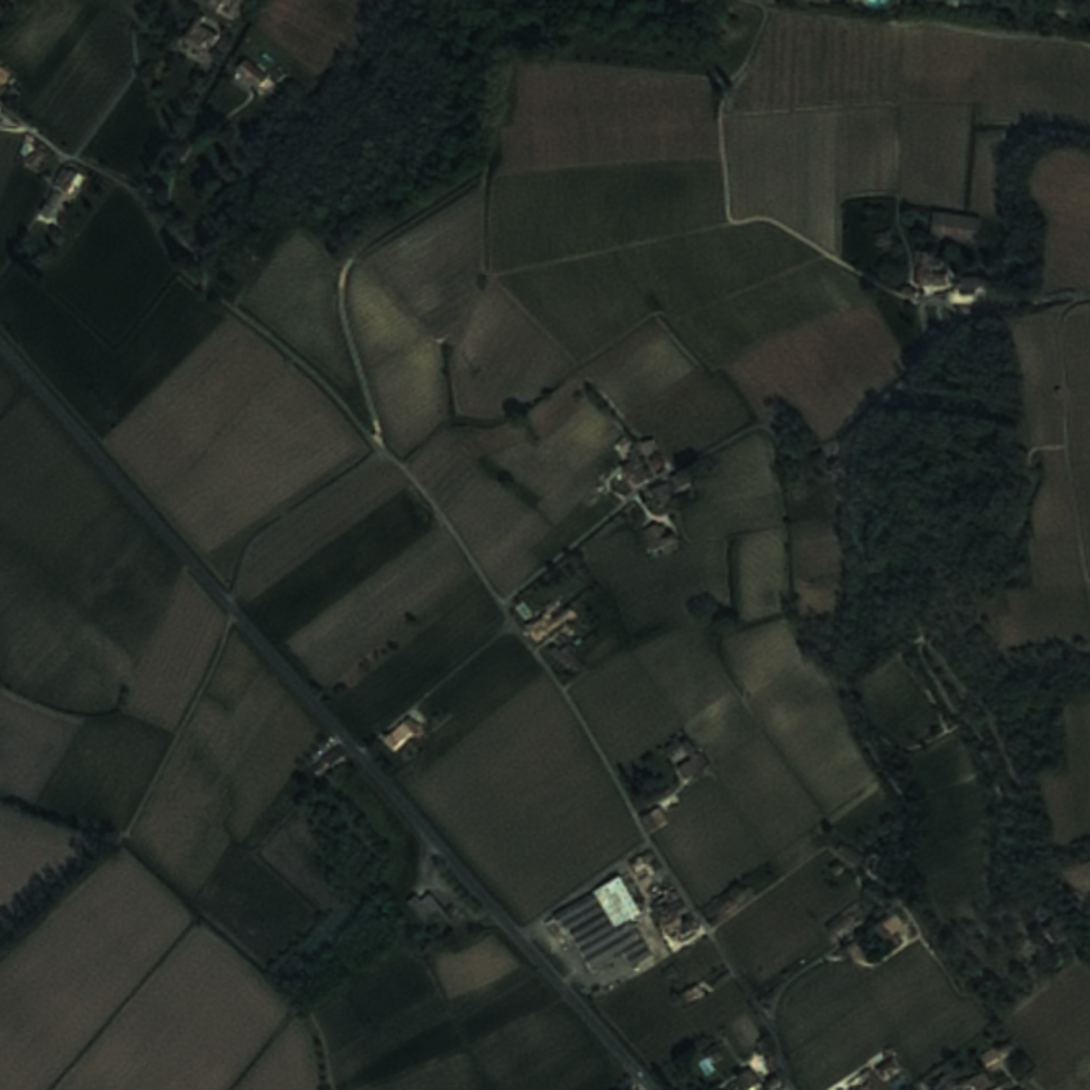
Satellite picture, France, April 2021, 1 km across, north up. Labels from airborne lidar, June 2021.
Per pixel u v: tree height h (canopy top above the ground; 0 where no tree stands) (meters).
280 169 27
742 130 0
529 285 0
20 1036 0
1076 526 0
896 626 18
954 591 13
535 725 0
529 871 0
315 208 22
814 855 0
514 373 0
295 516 0
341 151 26
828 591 0
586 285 0
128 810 0
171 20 16
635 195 0
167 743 0
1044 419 0
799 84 0
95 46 0
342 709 0
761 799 0
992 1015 8
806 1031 0
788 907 0
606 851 0
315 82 0
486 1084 0
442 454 0
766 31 0
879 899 12
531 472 0
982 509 16
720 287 0
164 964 0
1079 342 0
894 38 0
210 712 0
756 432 0
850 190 0
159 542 0
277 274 0
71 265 0
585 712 0
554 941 0
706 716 0
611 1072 0
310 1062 0
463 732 0
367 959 13
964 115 0
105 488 0
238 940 0
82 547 0
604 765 0
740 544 0
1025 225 22
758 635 0
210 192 27
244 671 0
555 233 0
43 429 0
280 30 0
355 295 0
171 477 0
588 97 0
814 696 0
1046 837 12
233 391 0
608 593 0
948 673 11
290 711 0
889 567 6
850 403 0
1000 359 20
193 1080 0
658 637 0
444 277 0
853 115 0
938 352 25
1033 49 0
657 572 0
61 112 0
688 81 0
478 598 0
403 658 0
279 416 0
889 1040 0
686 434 0
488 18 22
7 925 18
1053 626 0
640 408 0
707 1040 7
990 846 11
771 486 0
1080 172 0
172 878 0
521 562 0
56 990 0
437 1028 0
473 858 0
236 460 0
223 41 7
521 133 0
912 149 0
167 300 0
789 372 0
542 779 0
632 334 0
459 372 0
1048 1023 0
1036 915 8
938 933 16
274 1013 0
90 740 0
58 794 0
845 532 15
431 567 0
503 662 0
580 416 0
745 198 0
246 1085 0
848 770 0
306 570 0
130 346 0
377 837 6
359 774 0
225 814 0
